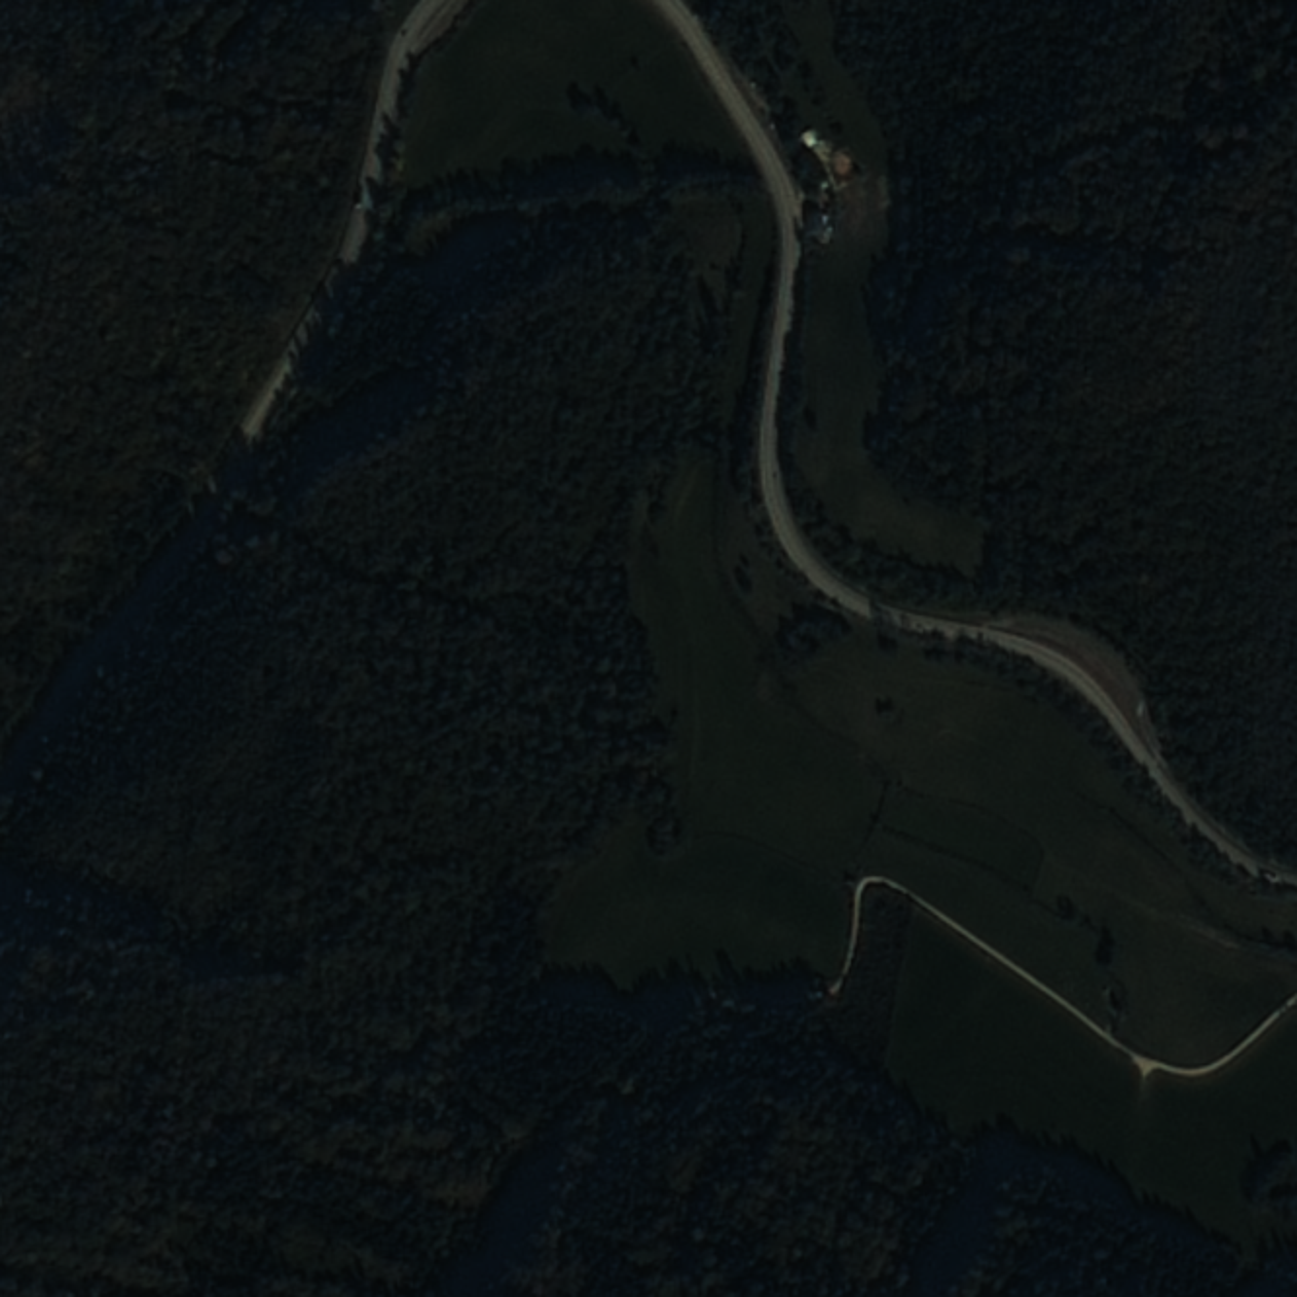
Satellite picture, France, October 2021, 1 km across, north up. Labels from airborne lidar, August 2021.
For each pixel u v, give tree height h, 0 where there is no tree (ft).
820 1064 98
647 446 57
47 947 71
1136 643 32
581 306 39
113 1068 68
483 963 77
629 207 24
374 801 64
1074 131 75
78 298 62
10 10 42
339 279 0
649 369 54
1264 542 38
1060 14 59
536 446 42
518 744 26
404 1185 48
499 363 55
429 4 0
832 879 0
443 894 84
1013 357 85
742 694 0
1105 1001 0
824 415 0
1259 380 21
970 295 87
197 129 79
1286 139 46
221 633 44
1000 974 0
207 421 101
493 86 0
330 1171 78
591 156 0
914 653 0
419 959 30
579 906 0
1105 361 75
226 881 40
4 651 50
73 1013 78
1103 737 38
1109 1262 62
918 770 0
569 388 29
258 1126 97
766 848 0
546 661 51
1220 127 70
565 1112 47
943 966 0
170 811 43
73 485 67
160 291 73
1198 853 44
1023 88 52
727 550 0
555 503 38
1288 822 35
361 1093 49
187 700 50
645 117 0
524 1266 100
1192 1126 0
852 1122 118
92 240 75
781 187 0
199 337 110
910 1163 85
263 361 71
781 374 0
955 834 0
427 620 67
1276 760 29
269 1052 89
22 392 41
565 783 74
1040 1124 0
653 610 0
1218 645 57
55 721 68
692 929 0
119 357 75
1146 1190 0
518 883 50
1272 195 38
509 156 0
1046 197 90
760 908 0
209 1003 58
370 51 62
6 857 47
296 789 52
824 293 0
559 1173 72
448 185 0
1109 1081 0
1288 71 38
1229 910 0
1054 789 0
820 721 0
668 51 0
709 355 72
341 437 29
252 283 102
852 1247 100
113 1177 64
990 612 28
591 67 0
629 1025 81
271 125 119
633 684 86
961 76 55
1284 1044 0
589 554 25
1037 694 59
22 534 84
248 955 18
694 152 0
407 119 33
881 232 0
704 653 0
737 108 0
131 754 37
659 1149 118
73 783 54
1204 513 56
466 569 29
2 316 60
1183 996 0
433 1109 111
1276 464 41
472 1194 94
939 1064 0
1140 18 85
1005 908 0
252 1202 84
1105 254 73
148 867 33
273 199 95
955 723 0
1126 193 71
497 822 29
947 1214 32
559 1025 99
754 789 0
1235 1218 0
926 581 18
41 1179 69
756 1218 94
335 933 53
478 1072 80
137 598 0
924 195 75
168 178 80
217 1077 64
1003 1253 103
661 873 0
